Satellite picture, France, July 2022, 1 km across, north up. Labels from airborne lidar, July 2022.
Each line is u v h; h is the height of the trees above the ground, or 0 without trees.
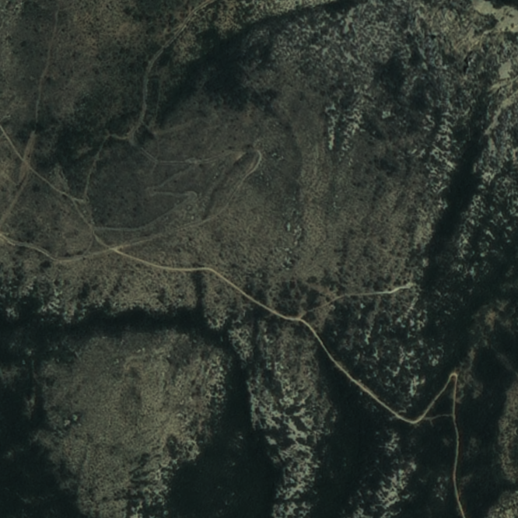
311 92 0
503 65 0
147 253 0
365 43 0
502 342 7
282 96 0
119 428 0
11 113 0
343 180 0
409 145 0
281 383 0
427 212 0
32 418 6
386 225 0
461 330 7
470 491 7
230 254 0
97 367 0
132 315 7
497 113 0
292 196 0
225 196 0
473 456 6
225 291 0
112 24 0
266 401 0
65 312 0
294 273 0
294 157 0
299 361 0
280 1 0
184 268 0
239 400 7
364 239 0
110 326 7
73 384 0
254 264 0
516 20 0
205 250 0
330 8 10
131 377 0
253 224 0
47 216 0
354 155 0
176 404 0
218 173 0
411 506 6
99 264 0
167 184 0
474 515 5
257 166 0
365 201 0
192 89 5
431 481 5
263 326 0
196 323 7
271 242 0
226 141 0
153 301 0
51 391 0
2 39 0
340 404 6
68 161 6
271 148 0
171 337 0
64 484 0
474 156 8
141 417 0
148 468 0
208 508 6
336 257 0
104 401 0
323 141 0
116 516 0
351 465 7
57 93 0
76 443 0
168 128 0
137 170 0
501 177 6
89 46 0
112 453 0
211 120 0
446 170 0
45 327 8
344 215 0
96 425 0
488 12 0
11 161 0
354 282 0
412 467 0
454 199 8
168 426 0
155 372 0
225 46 8
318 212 0
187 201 0
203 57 7
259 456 6
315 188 0
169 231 0
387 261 0
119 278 0
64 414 0
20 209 0
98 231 0
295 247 0
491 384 6
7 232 0
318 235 0
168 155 0
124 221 0
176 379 0
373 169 0
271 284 0
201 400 0
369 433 6
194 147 0
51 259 0
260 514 9
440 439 6
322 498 6
